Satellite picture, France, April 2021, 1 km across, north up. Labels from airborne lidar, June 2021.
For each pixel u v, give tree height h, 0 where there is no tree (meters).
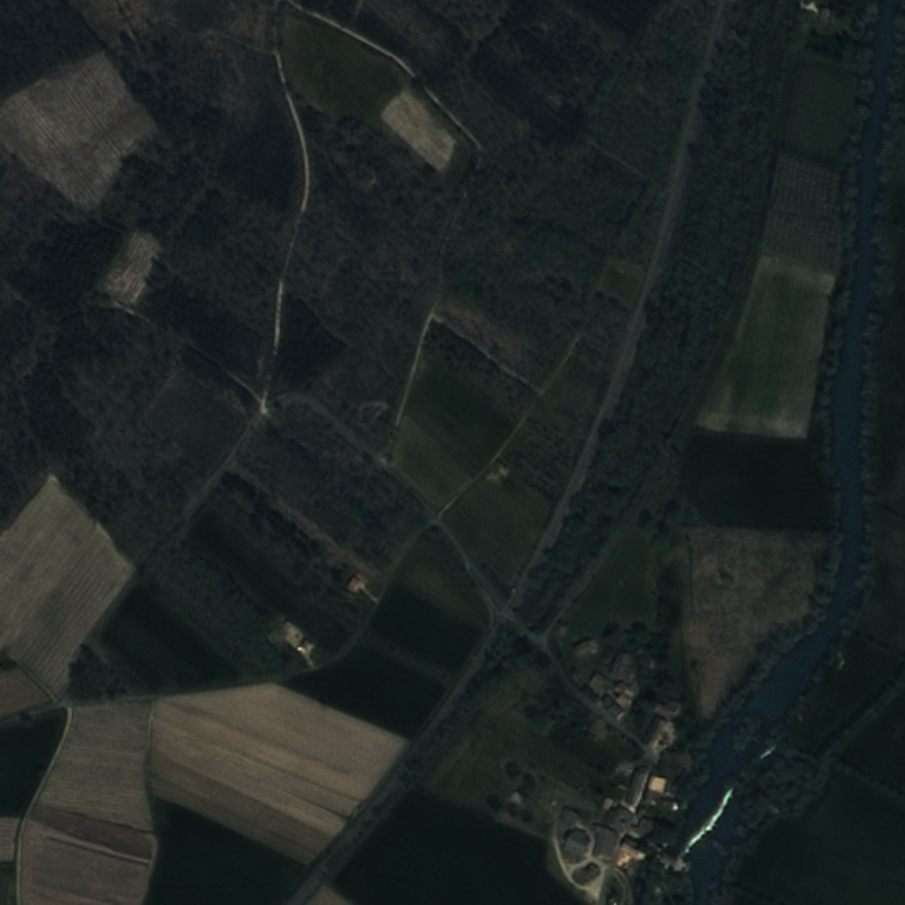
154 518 18
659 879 11
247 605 21
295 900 0
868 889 0
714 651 0
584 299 13
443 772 0
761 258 0
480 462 0
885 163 14
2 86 17
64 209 13
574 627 0
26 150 0
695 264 8
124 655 0
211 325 13
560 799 0
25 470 13
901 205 0
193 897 0
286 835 0
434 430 0
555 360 17
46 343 11
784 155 27
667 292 13
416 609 0
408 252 11
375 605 0
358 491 18
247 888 0
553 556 11
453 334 12
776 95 18
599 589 0
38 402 13
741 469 0
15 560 0
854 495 0
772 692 0
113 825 0
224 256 11
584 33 6
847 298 17
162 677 0
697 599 0
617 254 16
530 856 0
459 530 0
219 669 0
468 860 0
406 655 0
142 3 0
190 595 21
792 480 0
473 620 0
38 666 0
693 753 12
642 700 6
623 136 15
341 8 16
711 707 0
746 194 15
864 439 15
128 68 15
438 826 0
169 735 0
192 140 8
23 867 0
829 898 0
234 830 0
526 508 0
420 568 0
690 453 0
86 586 0
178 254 8
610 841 0
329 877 10
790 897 0
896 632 0
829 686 0
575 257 29
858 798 0
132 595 0
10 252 20
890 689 10
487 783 0
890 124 12
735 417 0
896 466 0
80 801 0
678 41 19
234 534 0
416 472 0
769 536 0
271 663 22
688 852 0
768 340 0
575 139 13
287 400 0
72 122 0
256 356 8
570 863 0
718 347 16
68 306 13
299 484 11
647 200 18
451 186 0
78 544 0
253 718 0
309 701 0
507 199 16
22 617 0
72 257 12
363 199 6
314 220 12
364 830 13
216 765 0
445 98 13
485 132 13
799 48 18
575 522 11
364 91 0
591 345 6
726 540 0
